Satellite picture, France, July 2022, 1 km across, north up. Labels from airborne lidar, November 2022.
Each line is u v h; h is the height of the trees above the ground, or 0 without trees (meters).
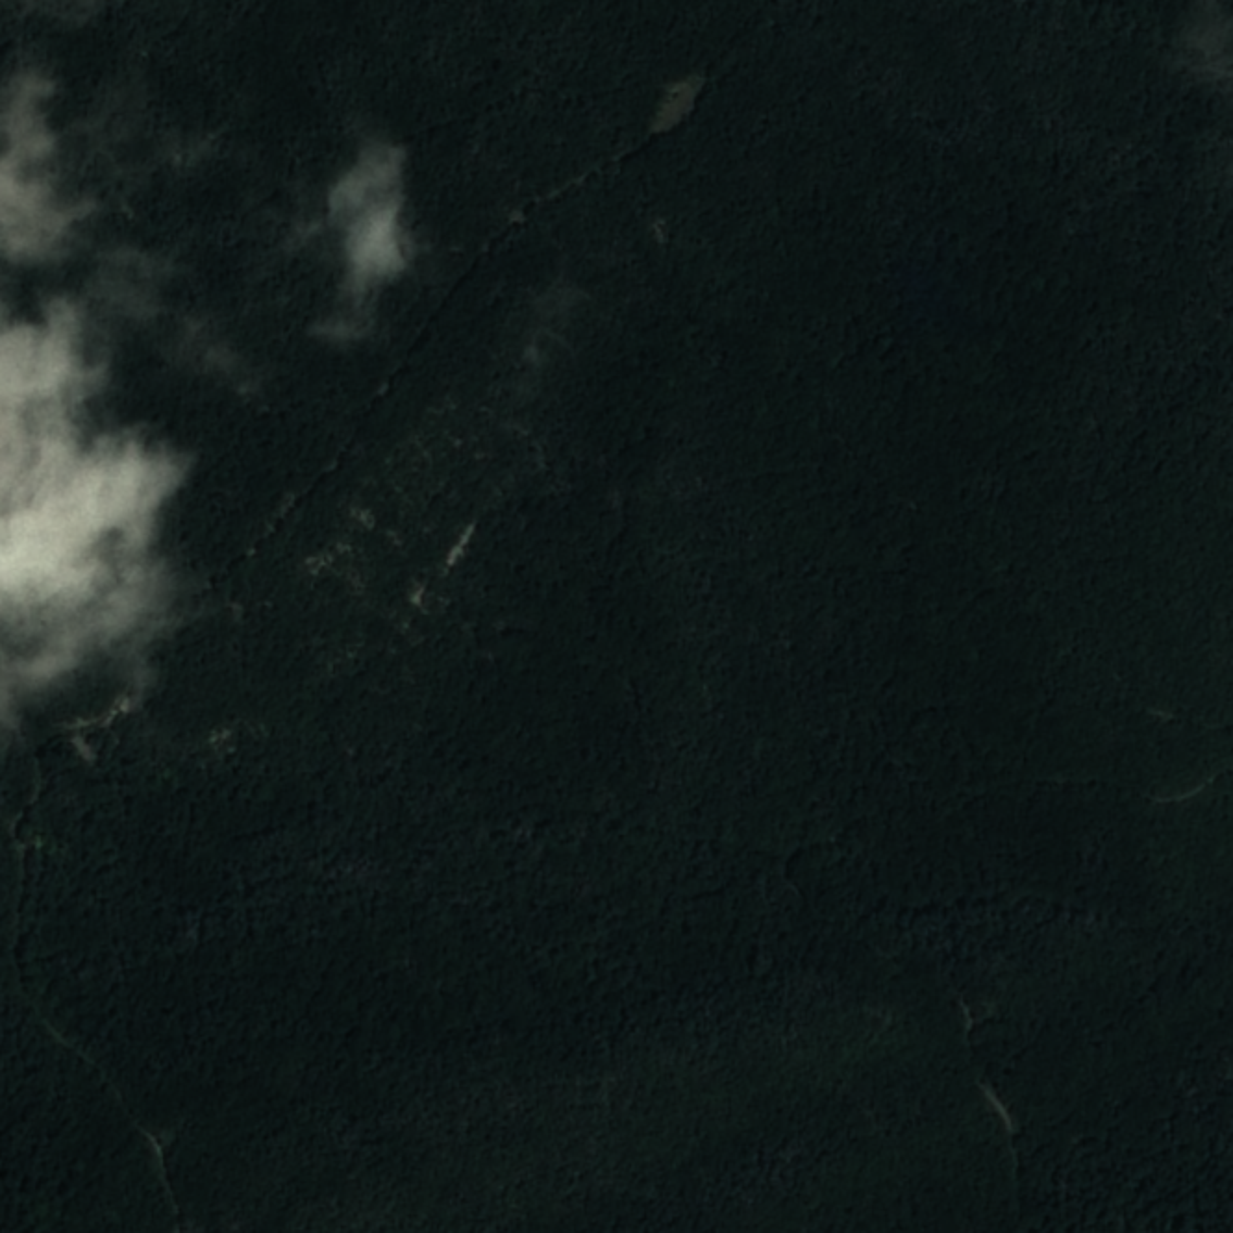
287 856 24
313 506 14
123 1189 14
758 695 16
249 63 17
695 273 15
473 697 17
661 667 19
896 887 26
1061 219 19
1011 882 16
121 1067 13
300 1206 13
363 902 15
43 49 15
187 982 16
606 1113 15
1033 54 16
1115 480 15
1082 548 19
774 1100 15
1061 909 26
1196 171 19
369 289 8
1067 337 16
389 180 17
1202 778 9
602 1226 15
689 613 13
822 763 20
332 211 15
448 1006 24
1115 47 21
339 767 18
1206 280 13
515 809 21
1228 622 8
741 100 19
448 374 13
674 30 18
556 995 19
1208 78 17
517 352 12
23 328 13
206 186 21
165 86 16
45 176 16
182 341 14
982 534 16
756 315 20
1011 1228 20
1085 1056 22
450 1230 13
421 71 21
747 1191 19
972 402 22
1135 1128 18
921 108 12
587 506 18
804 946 18
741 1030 20
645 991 18
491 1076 16
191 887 20
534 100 17
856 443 19
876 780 24
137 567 17
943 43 17
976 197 17
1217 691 9
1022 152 17
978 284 20
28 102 16
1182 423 15
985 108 22
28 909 11
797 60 20
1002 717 20
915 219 17
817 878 21
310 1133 8
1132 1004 21
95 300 12
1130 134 22
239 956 18
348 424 16
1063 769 19
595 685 21
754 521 16
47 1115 16
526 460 12
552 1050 14
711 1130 10
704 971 21
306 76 24
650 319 12
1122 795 19
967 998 11
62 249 13
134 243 9
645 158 14
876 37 18
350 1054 20
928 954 25
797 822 19
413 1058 16
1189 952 16
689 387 12
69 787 13
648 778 23
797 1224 13
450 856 18
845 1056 10
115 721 7
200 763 16
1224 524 11
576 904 19
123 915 20
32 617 17
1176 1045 23
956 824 27
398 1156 14
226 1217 16
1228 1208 21
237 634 17
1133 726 14
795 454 16
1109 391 13
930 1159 14
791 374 15
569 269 14
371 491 8
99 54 13
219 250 18
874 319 19
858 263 20
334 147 16
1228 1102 33
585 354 13
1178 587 11
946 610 17
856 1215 18
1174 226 19
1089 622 12
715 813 17
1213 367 19
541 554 17
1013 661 17
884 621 18
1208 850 11
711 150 17
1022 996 11
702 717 10
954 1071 10
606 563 21
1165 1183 14
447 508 11
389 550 11
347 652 6
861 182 16
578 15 19
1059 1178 17
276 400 20
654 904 20
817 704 18
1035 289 16
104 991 15
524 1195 9
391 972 18
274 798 16
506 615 19
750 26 19
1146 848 14
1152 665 7
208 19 12
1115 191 21
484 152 13
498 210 13
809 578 16
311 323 20
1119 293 20
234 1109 10
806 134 20
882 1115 11
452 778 24
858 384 18
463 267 15
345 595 14
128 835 25
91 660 17
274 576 12
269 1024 17
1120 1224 22
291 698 14
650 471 13
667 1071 8
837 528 17
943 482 17
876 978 18
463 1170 10
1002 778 19
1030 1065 22
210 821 14
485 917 29
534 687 18
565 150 12
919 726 23
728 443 18
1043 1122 14
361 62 7
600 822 26
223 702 13
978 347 22
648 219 14
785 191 17
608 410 10
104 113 15
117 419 10
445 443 6
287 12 18
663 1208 16
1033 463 16
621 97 15
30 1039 21
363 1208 13
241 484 19
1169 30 13
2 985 22
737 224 17
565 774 27
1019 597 12
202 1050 13
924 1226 15
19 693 16
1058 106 18
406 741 13
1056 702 16
